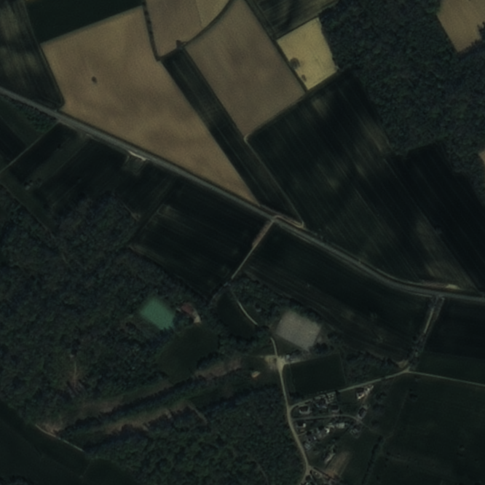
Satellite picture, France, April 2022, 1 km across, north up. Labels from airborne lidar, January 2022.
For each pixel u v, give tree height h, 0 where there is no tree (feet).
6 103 0
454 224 0
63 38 0
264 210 0
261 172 0
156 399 54
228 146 0
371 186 0
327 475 71
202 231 0
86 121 0
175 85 0
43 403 112
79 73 0
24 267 0
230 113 0
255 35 0
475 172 70
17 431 0
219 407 71
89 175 0
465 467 0
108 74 0
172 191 0
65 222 65
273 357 0
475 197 0
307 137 0
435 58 92
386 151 0
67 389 0
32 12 0
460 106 117
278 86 0
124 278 90
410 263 0
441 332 0
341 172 0
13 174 0
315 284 0
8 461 0
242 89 0
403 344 0
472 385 0
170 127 0
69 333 125
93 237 101
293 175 0
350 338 0
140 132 0
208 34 0
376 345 0
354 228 0
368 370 36
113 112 0
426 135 82
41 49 0
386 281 0
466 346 0
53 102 0
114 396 75
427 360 0
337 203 0
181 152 0
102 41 0
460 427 0
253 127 0
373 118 0
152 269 80
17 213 77
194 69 0
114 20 0
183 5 0
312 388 0
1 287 110
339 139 0
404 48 107
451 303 0
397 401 0
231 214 0
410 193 0
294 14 0
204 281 0
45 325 116
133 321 0
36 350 107
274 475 80
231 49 0
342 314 0
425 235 0
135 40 0
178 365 0
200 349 0
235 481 120
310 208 0
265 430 96
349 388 0
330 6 0
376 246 0
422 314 0
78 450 0
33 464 0
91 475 0
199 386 78
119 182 0
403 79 83
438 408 0
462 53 0
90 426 77
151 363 46
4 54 0
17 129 0
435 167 0
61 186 0
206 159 0
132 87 0
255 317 0
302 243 0
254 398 93
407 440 0
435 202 0
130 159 0
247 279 51
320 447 43
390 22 66
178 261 0
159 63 0
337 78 0
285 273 0
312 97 0
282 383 0
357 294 0
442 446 0
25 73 0
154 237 0
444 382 0
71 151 0
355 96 0
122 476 0
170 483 73
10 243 100
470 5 0
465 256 0
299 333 0
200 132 0
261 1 0
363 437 0
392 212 0
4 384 118
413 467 0
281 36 0
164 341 76
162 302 0
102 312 101
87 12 0
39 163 0
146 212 0
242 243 0
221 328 68
